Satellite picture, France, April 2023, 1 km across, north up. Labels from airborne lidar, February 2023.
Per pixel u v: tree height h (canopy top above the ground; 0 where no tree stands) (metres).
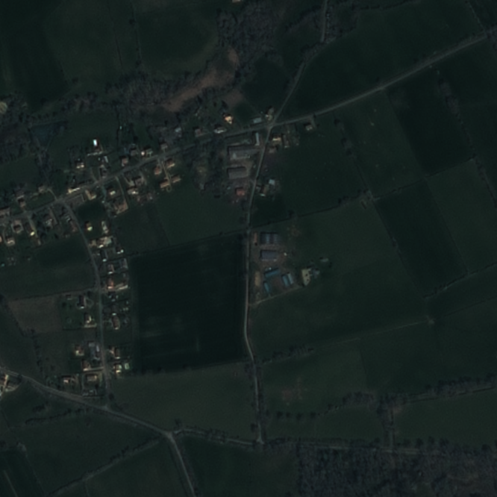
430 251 0
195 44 0
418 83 0
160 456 0
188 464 12
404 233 0
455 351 0
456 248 0
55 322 0
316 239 0
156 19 0
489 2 0
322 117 0
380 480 24
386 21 0
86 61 0
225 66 0
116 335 0
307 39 0
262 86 0
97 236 0
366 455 23
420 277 0
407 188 0
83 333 0
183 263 0
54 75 0
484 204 0
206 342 0
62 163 0
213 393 0
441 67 0
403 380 0
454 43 0
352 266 0
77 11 0
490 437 0
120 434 0
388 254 0
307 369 0
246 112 0
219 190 0
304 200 0
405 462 24
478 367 0
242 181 0
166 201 0
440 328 0
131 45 0
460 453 13
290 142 0
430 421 0
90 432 0
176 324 0
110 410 0
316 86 0
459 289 0
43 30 0
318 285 0
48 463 0
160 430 0
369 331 0
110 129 0
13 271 0
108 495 0
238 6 0
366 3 0
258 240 0
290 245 0
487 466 28
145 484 0
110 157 0
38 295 0
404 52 0
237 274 0
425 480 20
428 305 0
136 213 0
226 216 0
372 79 0
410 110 0
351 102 0
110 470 0
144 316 0
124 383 0
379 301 0
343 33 10
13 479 0
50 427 0
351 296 0
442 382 0
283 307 0
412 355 0
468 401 0
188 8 0
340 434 0
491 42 15
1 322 0
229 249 0
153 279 0
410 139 0
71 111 19
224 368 0
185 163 8
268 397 0
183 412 0
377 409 0
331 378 0
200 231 0
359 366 0
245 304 0
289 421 13
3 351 0
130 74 0
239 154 0
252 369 14
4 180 0
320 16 18
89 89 0
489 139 0
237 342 0
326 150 0
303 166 0
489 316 0
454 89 0
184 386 0
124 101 23
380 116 0
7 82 0
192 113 12
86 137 0
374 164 0
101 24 0
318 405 0
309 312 0
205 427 0
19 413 0
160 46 0
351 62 0
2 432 0
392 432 15
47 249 0
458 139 0
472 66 0
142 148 0
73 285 0
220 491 0
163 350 0
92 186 0
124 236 0
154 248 0
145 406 0
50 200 0
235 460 0
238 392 0
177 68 0
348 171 0
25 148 7
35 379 0
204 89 0
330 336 0
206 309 0
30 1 0
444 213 0
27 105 0
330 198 0
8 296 0
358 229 0
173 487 0
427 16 0
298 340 0
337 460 20
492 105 0
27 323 0
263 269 0
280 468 0
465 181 0
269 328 0
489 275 0
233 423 0
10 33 0
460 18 0
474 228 0
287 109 0
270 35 6
